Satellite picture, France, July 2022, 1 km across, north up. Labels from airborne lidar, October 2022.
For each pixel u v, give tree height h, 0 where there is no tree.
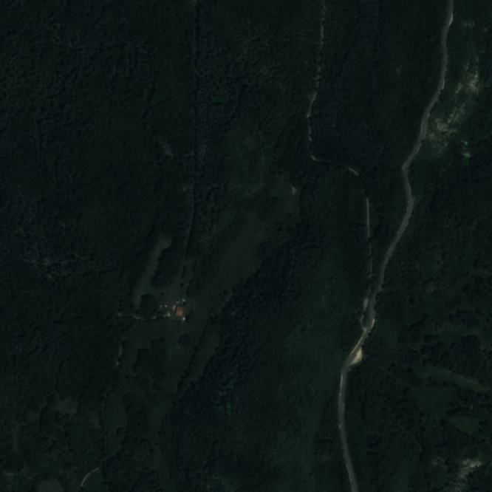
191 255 13
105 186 11
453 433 34
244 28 13
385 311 24
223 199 14
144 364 17
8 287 24
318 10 9
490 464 17
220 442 17
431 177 15
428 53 17
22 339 24
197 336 0
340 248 11
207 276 11
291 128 9
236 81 14
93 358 7
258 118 19
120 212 12
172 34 21
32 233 23
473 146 18
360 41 30
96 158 7
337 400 21
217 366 15
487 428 32
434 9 28
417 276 26
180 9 26
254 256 0
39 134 7
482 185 35
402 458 8
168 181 23
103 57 20
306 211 13
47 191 24
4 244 26
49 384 14
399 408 26
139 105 9
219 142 24
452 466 27
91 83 18
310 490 8
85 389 14
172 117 17
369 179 23
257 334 22
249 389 11
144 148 9
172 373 0
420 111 17
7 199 23
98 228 9
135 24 22
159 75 25
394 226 6
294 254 21
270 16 15
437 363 23
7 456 14
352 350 9
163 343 17
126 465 21
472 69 11
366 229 22
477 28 14
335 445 30
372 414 28
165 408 0
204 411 25
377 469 6
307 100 7
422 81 17
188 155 27
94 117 11
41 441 9
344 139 20
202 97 27
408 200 10
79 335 18
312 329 11
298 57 15
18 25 19
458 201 28
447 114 7
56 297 18
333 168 22
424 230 17
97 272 6
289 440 15
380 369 17
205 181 26
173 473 6
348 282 12
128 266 15
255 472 11
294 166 14
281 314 24
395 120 14
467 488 7
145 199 15
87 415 14
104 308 13
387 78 18
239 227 7
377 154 21
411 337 11
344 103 11
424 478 19
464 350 23
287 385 19
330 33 12
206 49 27
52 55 22
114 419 0
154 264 0
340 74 22
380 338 11
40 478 10
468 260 16
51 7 20
